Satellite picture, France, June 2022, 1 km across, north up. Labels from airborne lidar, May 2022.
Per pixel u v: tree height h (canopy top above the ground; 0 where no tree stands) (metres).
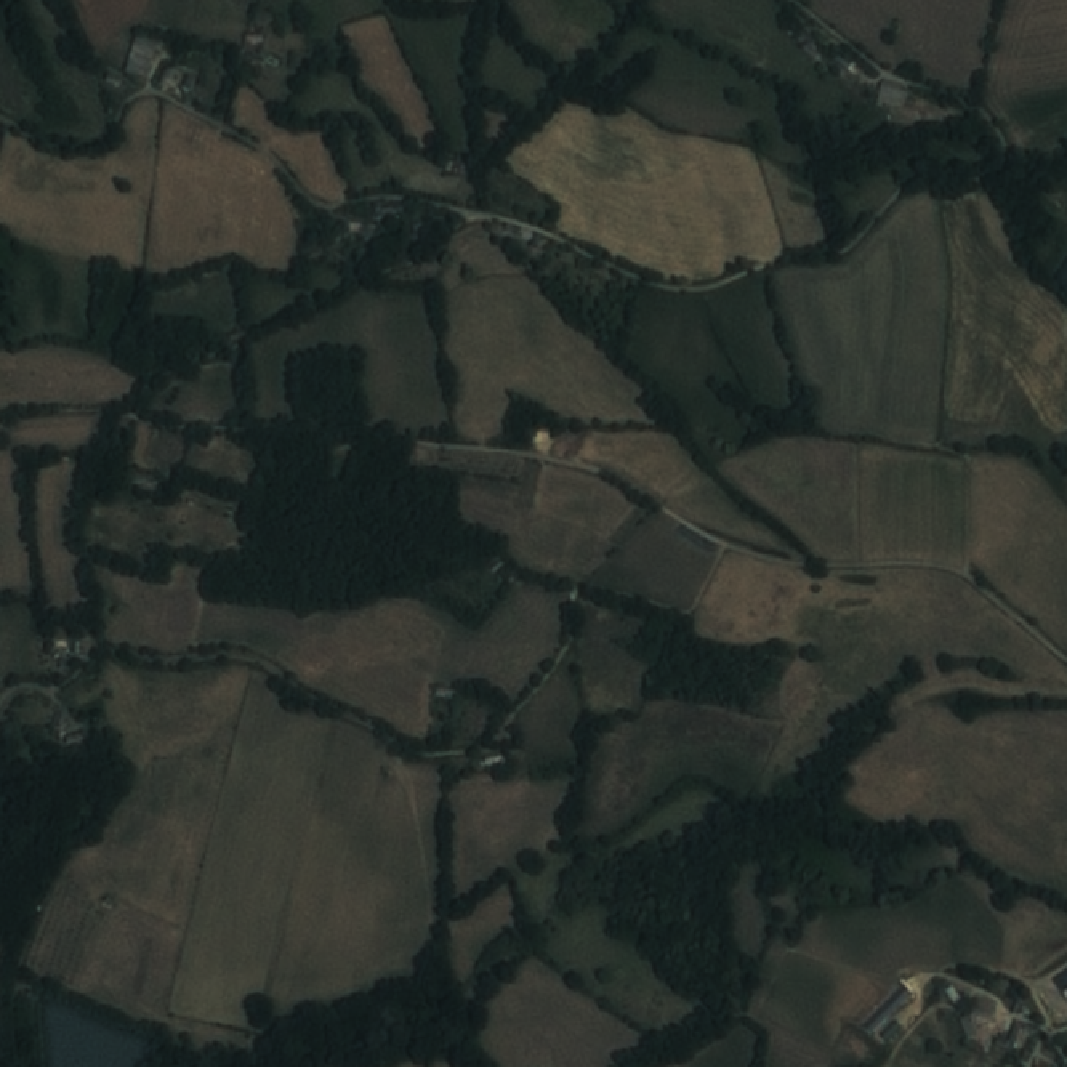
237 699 0
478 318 0
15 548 0
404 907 0
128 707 0
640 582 0
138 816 0
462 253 0
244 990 0
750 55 0
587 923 0
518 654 0
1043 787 0
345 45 17
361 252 10
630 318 15
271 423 11
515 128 22
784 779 0
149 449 0
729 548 0
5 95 0
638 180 0
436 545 16
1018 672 0
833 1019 0
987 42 11
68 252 0
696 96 0
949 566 0
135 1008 0
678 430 13
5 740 18
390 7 12
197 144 0
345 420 14
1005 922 0
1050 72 0
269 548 20
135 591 0
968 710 10
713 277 0
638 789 0
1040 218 20
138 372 16
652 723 0
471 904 16
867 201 0
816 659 22
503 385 0
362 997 14
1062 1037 8
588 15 0
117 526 0
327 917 0
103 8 0
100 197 0
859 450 0
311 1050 24
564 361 0
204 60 0
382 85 0
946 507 0
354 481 15
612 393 0
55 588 0
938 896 0
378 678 0
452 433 8
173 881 0
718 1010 12
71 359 0
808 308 0
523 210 8
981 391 0
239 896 0
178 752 0
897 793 0
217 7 0
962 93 12
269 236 0
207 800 0
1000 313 0
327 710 16
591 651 0
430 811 0
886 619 0
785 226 0
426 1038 20
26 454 15
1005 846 0
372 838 0
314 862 0
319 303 13
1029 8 0
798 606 0
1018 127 0
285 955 0
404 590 10
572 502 0
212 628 0
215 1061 17
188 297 0
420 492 17
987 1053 0
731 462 0
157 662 9
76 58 17
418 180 0
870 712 18
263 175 0
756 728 0
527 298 0
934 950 0
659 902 14
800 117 23
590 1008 0
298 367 16
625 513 0
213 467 0
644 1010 0
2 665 0
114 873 0
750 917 0
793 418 19
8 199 0
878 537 0
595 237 0
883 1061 0
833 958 0
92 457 17
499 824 0
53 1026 0
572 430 14
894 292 0
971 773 0
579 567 0
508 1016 0
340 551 20
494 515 0
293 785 0
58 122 0
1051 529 0
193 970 0
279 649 0
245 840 0
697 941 13
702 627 0
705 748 0
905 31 0
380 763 0
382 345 0
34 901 6
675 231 0
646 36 0
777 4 10
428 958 20
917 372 0
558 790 0
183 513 0
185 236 0
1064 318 0
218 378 0
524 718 0
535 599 0
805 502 0
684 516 0
